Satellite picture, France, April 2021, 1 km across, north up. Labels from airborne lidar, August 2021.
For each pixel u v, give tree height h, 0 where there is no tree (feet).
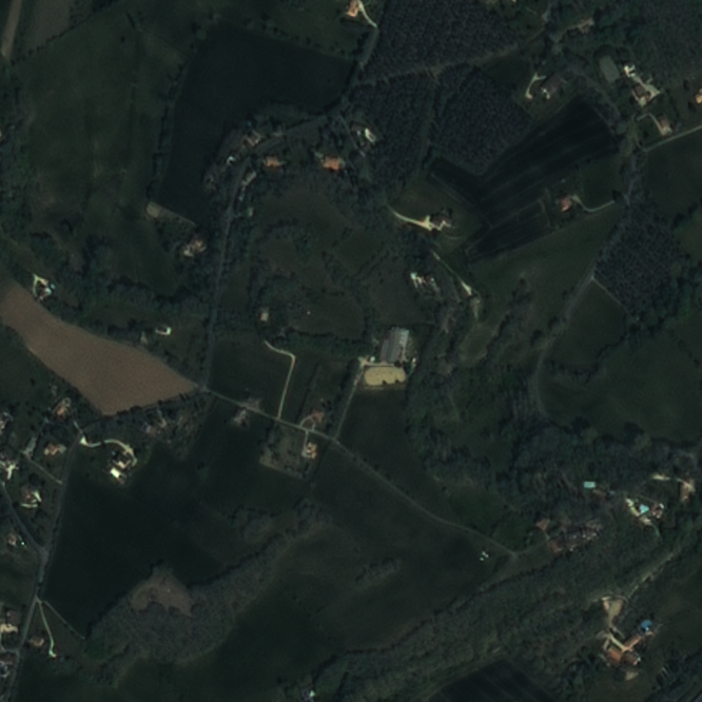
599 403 0
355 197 57
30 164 41
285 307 24
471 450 0
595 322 0
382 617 0
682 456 50
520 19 25
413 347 0
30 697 0
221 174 41
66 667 46
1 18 0
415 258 28
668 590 35
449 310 43
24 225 73
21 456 29
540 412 55
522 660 66
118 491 0
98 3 0
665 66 73
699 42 76
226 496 0
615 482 57
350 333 0
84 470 0
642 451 77
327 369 0
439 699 0
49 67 0
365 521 0
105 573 0
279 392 0
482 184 0
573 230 0
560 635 92
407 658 59
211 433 0
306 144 27
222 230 58
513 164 0
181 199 0
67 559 0
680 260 57
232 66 0
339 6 0
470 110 61
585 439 86
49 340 0
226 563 0
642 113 34
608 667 34
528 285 44
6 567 0
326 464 0
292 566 0
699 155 0
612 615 0
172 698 0
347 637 0
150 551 0
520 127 52
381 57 41
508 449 0
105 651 48
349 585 0
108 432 50
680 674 109
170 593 0
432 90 59
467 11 53
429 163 28
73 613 0
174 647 59
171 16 0
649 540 60
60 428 36
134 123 0
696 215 52
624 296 56
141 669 0
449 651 75
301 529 29
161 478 0
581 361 0
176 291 0
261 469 0
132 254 0
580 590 53
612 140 0
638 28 67
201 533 0
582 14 71
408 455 0
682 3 79
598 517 57
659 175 0
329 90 0
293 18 0
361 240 0
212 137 0
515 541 0
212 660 0
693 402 0
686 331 0
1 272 0
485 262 0
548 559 0
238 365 0
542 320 0
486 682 0
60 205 0
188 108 0
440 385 84
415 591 0
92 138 0
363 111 43
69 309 54
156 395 0
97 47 0
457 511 0
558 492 81
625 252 54
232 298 0
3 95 41
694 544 70
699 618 0
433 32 60
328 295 34
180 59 0
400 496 0
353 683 58
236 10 0
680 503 23
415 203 0
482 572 0
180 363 53
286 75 0
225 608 64
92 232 0
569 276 0
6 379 0
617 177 0
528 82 0
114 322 0
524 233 0
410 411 70
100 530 0
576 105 0
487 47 56
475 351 0
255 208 39
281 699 0
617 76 0
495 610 73
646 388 0
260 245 32
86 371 0
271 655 0
